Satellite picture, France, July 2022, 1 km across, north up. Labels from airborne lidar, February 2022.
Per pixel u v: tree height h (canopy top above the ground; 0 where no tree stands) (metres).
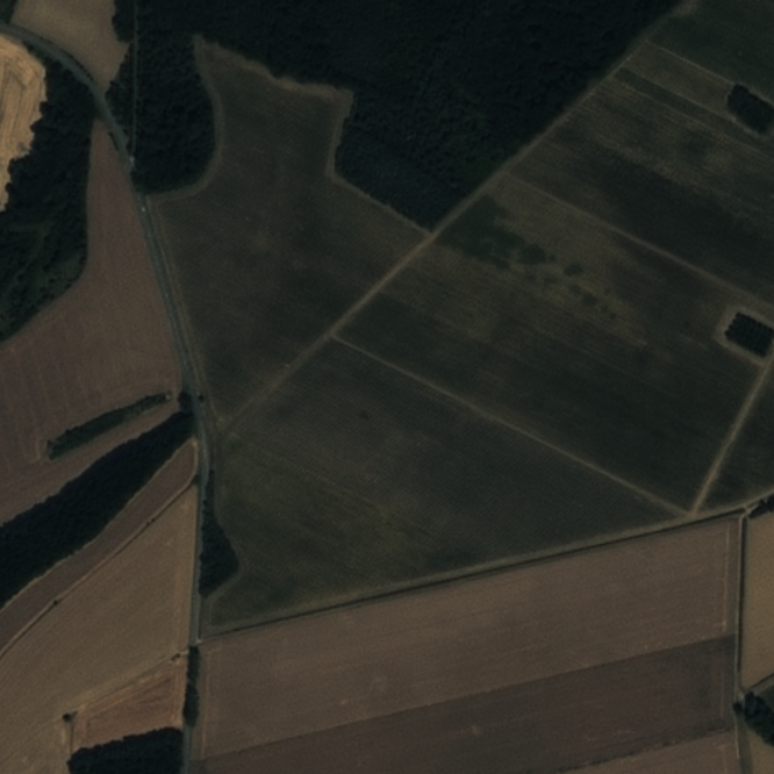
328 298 0
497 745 0
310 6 25
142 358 0
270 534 0
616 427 0
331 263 0
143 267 0
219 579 14
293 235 0
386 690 0
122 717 0
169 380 0
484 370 0
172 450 11
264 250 0
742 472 0
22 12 0
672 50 0
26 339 0
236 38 13
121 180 0
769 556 0
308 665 0
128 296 0
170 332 0
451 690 0
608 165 0
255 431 0
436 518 0
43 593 0
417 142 12
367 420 0
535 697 0
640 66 0
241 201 0
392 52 11
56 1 0
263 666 0
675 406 0
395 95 16
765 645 0
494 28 19
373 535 0
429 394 0
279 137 0
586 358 0
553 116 16
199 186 0
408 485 0
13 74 0
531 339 0
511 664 0
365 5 12
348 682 0
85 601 0
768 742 13
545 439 0
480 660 0
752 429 0
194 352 0
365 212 0
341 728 0
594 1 21
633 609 0
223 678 0
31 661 0
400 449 0
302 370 0
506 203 0
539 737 0
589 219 0
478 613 0
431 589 0
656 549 0
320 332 0
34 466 0
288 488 0
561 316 0
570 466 0
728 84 0
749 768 0
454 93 12
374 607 0
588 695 0
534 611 0
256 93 0
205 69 0
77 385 0
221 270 0
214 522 11
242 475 0
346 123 8
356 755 0
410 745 0
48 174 24
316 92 0
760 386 0
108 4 0
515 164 0
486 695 0
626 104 0
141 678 0
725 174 0
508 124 21
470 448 0
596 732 0
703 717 0
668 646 0
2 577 18
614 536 0
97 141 0
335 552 0
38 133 19
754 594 0
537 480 0
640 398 0
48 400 0
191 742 0
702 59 0
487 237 0
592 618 0
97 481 21
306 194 0
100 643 0
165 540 0
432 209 11
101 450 0
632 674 0
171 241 0
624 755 0
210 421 0
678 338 0
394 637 0
